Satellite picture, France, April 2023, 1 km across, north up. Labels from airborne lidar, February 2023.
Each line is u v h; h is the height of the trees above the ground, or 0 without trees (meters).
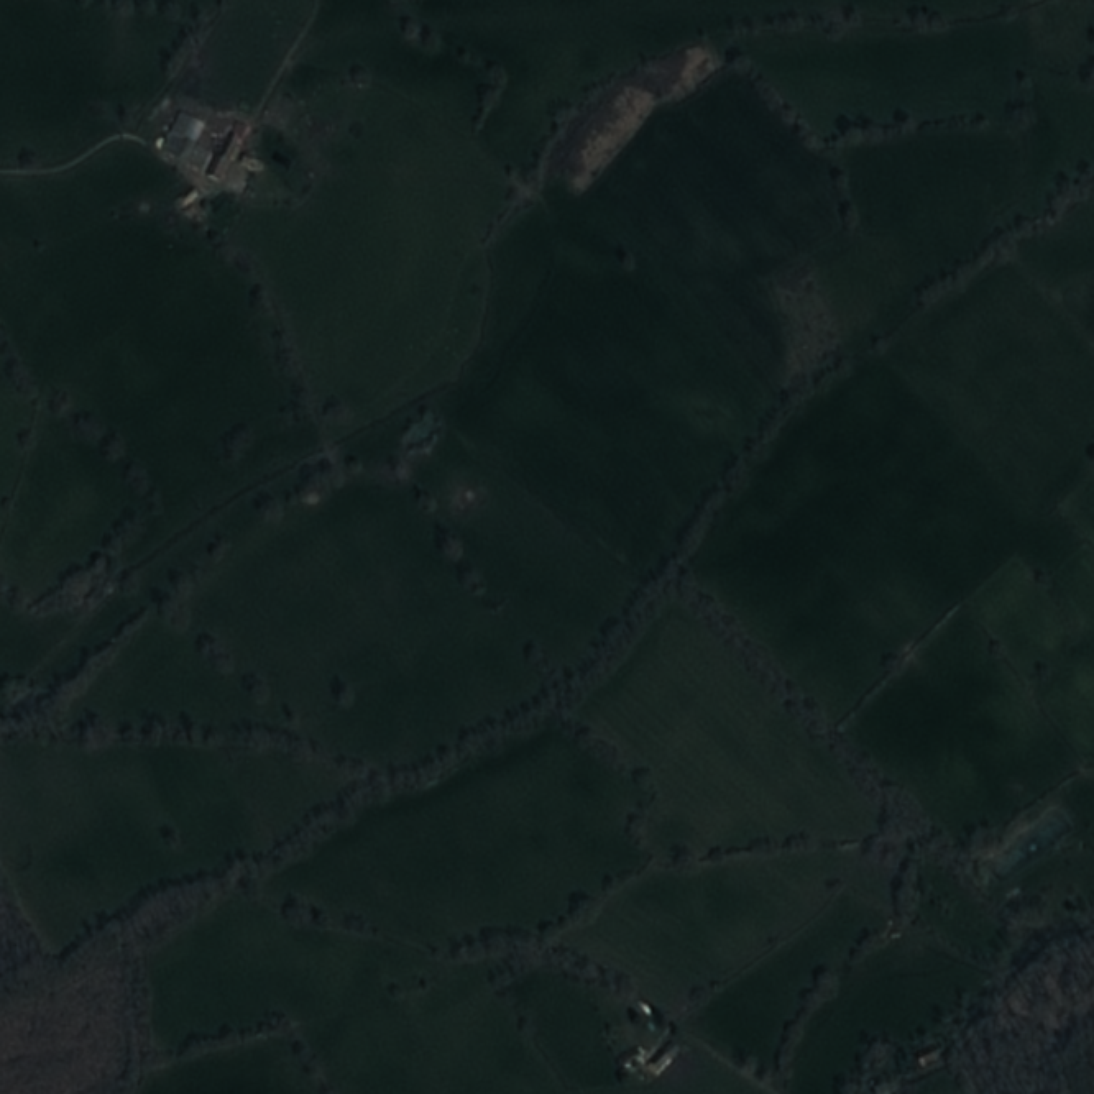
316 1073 16
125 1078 9
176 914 18
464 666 0
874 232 0
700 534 13
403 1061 0
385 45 0
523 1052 0
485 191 0
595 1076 0
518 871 0
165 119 0
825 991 17
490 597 0
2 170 0
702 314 0
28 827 0
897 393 0
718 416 0
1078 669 0
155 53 0
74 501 0
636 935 0
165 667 0
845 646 0
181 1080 0
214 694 0
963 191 0
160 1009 0
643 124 0
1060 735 0
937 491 0
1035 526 0
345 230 0
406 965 0
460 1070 0
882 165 0
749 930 0
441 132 0
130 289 0
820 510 0
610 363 0
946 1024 25
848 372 12
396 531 0
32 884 0
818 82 0
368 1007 0
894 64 0
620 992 15
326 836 14
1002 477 0
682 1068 0
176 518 0
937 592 0
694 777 0
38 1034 6
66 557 0
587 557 0
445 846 0
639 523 0
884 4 0
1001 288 0
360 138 0
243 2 0
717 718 0
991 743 0
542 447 0
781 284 0
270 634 0
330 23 0
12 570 0
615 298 0
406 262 0
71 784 0
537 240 0
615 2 0
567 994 0
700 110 0
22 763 0
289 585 0
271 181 0
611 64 0
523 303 0
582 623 0
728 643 18
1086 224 0
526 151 0
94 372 0
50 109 0
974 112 0
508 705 0
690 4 0
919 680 0
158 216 0
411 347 0
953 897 0
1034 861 0
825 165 0
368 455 0
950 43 0
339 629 0
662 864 0
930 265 0
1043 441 0
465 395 0
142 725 0
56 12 0
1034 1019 22
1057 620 0
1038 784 0
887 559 0
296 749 19
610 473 0
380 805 13
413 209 0
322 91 0
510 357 0
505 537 0
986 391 0
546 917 0
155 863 0
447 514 0
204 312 0
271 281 0
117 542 14
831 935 0
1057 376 0
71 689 15
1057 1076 11
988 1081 24
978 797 0
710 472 0
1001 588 0
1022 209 0
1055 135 0
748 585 0
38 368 0
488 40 0
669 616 0
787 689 12
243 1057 0
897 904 15
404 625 0
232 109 0
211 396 0
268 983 0
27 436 11
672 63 0
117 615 0
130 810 0
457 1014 0
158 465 0
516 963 21
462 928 0
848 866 0
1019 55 0
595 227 0
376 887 0
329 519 0
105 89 0
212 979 0
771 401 0
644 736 0
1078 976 26
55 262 0
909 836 18
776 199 0
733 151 0
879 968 0
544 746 0
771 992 0
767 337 0
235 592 0
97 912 0
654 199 0
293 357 14
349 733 0
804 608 0
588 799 0
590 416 0
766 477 0
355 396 0
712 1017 0
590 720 0
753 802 0
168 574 0
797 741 0
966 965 0
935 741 0
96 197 0
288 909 8
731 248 0
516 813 0
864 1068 17
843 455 0
